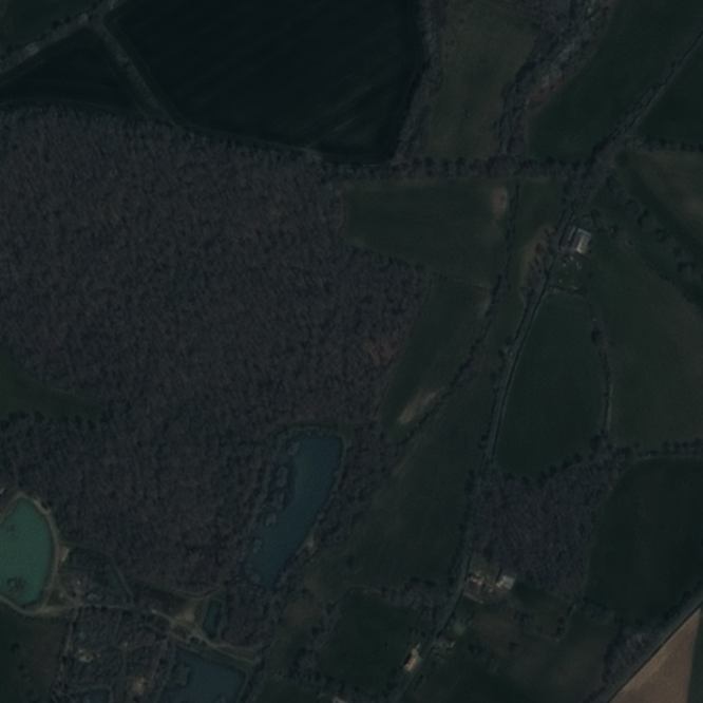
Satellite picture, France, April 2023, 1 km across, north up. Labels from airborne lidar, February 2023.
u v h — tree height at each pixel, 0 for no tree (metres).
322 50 0
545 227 0
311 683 21
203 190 19
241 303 23
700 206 0
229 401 19
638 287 0
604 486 20
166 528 16
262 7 0
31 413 0
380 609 0
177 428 25
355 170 14
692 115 0
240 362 21
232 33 0
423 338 0
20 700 0
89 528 21
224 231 21
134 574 14
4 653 0
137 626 8
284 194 20
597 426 0
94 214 25
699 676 0
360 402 18
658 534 0
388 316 20
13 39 0
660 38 0
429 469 0
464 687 0
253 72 0
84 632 6
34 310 23
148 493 20
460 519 0
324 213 20
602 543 0
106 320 22
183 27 0
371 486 12
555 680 0
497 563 22
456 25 0
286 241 21
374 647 0
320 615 0
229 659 0
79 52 0
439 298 0
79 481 22
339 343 21
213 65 0
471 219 0
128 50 0
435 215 0
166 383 25
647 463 0
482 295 0
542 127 0
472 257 0
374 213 0
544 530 22
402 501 0
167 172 19
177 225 20
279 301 20
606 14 7
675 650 0
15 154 19
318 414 15
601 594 0
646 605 0
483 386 0
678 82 0
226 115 0
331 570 0
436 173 21
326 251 21
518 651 12
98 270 24
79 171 23
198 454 17
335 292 19
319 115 0
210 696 0
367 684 0
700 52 0
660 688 0
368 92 0
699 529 0
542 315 0
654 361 0
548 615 0
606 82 0
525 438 0
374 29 0
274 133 0
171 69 0
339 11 0
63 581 0
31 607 7
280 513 0
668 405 0
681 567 0
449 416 0
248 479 20
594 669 0
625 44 0
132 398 20
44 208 21
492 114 0
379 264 12
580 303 0
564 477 19
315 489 0
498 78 0
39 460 23
